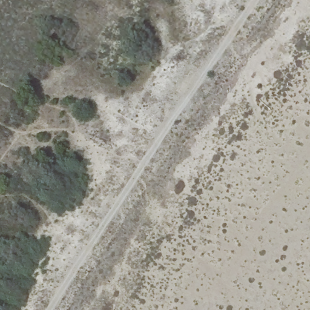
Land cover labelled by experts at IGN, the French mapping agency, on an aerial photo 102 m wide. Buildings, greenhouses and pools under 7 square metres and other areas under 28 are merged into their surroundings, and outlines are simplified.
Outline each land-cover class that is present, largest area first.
<instances>
[{"label":"bare soil","instance_id":"1","mask_svg":"<svg viewBox=\"0 0 310 310\"><path fill-rule=\"evenodd\" d=\"M229 1L237 10L243 11L248 0H179L180 5L184 6L188 22L184 31L190 36V40L178 42L167 52L160 67H157L145 81L142 91L125 93L124 96L110 99L108 102L105 101L104 94L99 93L94 101L98 114L104 122V128L110 131V142L104 143L99 138L86 137L84 133L76 132L69 140L71 148L84 151V157L90 160L87 168L92 180L88 184L87 196L82 206L75 208V211L65 212L64 216L52 213L47 218L50 225H41L36 231L38 239L44 235L51 236V246L45 256L39 259L38 268L33 275L36 283L31 288L28 303L22 310H45L59 283L67 275L69 258H73L75 254L74 246L90 240V235L85 230L77 228L85 219L82 216L88 214L92 218H97V213L90 208L92 205L101 207L102 200L99 195H120L140 159L155 140L147 130L138 132L144 121L143 109L151 107L154 103L159 105V120L165 121L166 104H171V111L178 105L173 101V96L178 93V85L182 84L186 76L193 75L199 70L202 59H207L208 54L212 53V48L218 46L223 36L228 34L225 25H220L212 29L206 39H195L211 24L216 6L220 8L223 2L225 4ZM205 82H202L195 96L191 98L188 107L174 121L170 133L163 138L161 147L144 168L142 176L138 178L130 195L126 196L125 202L101 239L93 246L91 256L77 270L75 279L54 310H310V0H260L257 10L251 13L243 27L237 30L235 39L213 65L212 70L208 71Z\"/></svg>","mask_w":310,"mask_h":310},{"label":"herbaceous vegetation","instance_id":"2","mask_svg":"<svg viewBox=\"0 0 310 310\"><path fill-rule=\"evenodd\" d=\"M145 7L150 8L151 24L160 30L161 56L155 57L148 65L137 68L136 80L132 85L122 88L117 86L119 71L132 63V58L122 54L119 48L120 40L125 39L127 29H132L134 22L139 21L138 11ZM31 15L73 18L79 24V33L70 47L76 48L79 56L70 58L62 67L56 68L52 63L40 65L39 59H35L33 53V47L38 44L39 39ZM188 22L184 6L180 5L179 0H0V194L5 190L4 173L22 174L25 167L23 157L12 155V150L29 147L31 153L35 154L36 148L51 147L54 139L58 142L69 140L76 132L84 133L86 137L99 138L104 143L110 142V131L104 128V122L98 114L90 121L76 120L73 115V104L45 103L40 105L39 111L31 110L24 117L13 114L11 110V102H15L18 93L16 82L21 81L22 76L29 73L41 82L42 90L50 97L73 96L94 101L99 93L104 94L105 101L108 102L110 99L124 96L125 93L142 91L145 81L157 67H160L167 52L178 42L190 40V36L184 31Z\"/></svg>","mask_w":310,"mask_h":310},{"label":"brushwood","instance_id":"3","mask_svg":"<svg viewBox=\"0 0 310 310\"><path fill-rule=\"evenodd\" d=\"M139 21L134 22L132 29H127L125 39L120 40L119 48L122 54L132 58V63L119 71L117 86L122 88L132 85L136 80L137 68L148 65L155 57L161 56L160 30L151 24L150 8L145 7L138 11ZM39 39L38 44L33 47V53L35 59H39L40 65L52 63L56 68L62 67L70 58L79 56L76 48L70 47L79 33V24L73 18L31 15ZM18 93L15 102H11V110L13 114L24 117L31 110L39 111L40 105L45 103L73 104V115L76 120L90 121L98 114L94 101L73 96L50 97L42 90L41 82L29 73L22 76L21 81L16 82ZM12 155L23 157L25 167L22 174L4 173L5 190L0 194V310H22L28 303L31 288L36 283L33 275L38 268L39 259L45 256L51 246V236L44 235L38 239L36 231L41 225H50L47 218L52 213L64 216L65 212L75 211V208L82 206L87 196L88 184L92 180L87 168L90 160L84 157V151L71 148L69 140L58 142L54 139L51 147L36 148L35 154L31 153L29 147L12 150Z\"/></svg>","mask_w":310,"mask_h":310},{"label":"pervious surface","instance_id":"4","mask_svg":"<svg viewBox=\"0 0 310 310\"><path fill-rule=\"evenodd\" d=\"M260 0H248L243 11L237 10L229 1L225 4L223 2L220 8L216 6L211 24L195 39H206L212 29L220 25H225L228 34L223 36L218 46L212 48V53L208 54L207 59H202L199 70L193 75L186 76L182 84L178 85V93L173 96V101L178 105L171 111V104H166L165 121L159 120V105L154 103L151 107L143 109L144 121L138 132L147 130L155 140L140 159L120 195H99L102 200L101 207L92 205L90 208L97 213V218H92L88 214L82 216L85 219L77 228L85 230L90 235V240L74 246L75 254L73 258H69L67 275L59 283L45 310H54L75 279L77 270L91 256L93 246L101 239L125 202L126 196L130 195L138 178L142 176L144 168L161 147L163 138L170 133L174 121L188 107L191 98L195 96L202 82H205L208 71L212 70L213 65L235 39L237 30L243 27L251 13L257 10Z\"/></svg>","mask_w":310,"mask_h":310}]
</instances>
